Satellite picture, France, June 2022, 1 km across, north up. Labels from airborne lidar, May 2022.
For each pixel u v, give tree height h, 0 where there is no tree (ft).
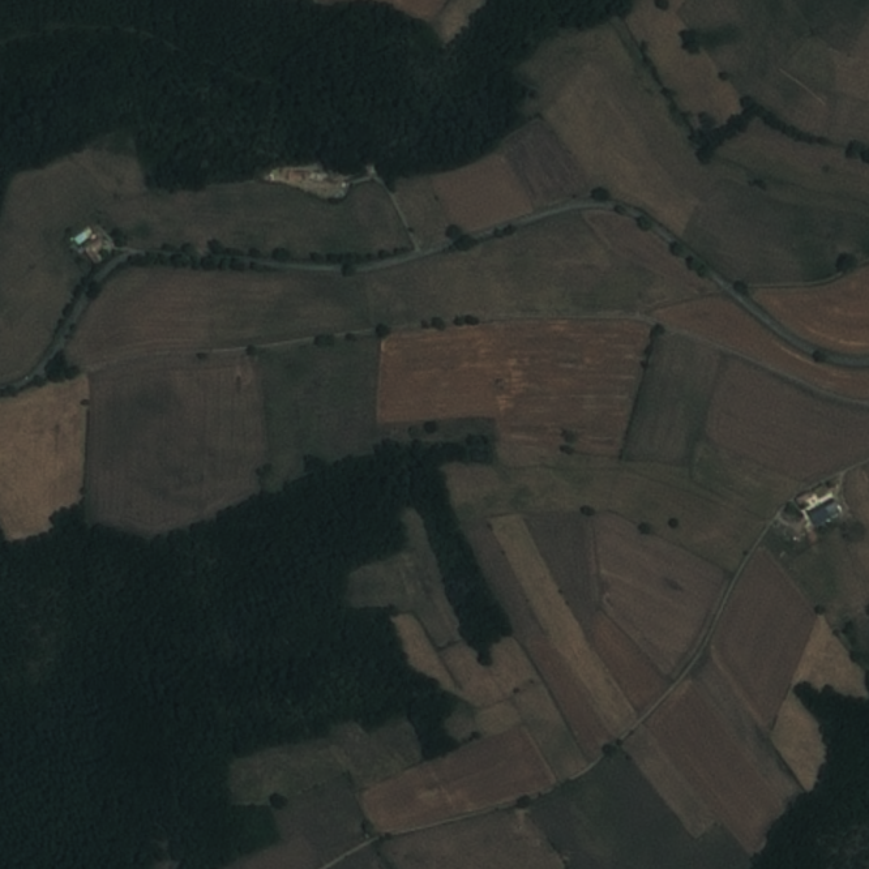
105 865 60
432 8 0
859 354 0
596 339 0
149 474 0
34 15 54
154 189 38
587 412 0
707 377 0
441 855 0
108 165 0
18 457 0
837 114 0
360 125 60
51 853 71
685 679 0
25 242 0
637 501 0
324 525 67
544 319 0
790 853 34
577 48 0
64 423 0
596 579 0
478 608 60
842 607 0
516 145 0
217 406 0
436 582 0
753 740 0
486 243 0
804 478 0
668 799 0
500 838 0
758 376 0
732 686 0
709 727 0
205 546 39
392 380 0
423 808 0
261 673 82
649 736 0
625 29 0
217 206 0
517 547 0
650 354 29
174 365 0
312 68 72
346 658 59
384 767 0
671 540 0
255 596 73
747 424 0
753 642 0
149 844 60
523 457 0
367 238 0
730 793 0
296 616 37
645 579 0
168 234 0
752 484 0
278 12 29
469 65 27
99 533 50
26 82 63
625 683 0
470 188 0
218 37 39
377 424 0
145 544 45
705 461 0
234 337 0
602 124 0
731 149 0
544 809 0
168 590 47
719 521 0
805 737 0
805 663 0
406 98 37
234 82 77
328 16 22
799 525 0
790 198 0
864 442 0
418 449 55
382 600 0
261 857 0
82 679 43
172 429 0
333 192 0
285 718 56
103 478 0
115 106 40
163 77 71
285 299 0
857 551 0
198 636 52
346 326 0
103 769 55
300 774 0
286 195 0
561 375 0
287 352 0
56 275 0
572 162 0
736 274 0
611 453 0
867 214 0
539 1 57
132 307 0
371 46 50
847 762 50
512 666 0
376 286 0
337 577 54
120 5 62
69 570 26
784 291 0
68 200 0
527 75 0
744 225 0
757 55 0
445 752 49
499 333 0
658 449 0
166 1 70
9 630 44
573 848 0
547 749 0
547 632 0
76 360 0
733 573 0
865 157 52
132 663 70
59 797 39
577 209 0
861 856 25
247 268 36
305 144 68
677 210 0
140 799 58
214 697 47
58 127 56
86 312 0
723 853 0
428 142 67
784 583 0
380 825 0
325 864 0
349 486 48
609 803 0
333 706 42
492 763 0
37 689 29
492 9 43
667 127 0
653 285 0
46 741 24
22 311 0
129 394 0
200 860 56
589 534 0
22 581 29
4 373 0
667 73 0
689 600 0
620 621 0
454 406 0
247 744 56
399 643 44
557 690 0
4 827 52
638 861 0
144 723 59
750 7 0
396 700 37
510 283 0
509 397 0
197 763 66
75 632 24
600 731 0
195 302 0
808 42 0
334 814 0
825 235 0
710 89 0
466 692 0
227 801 45
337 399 0
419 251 0
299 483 43
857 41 0
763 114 51
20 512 0
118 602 41
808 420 0
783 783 0
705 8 0
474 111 42
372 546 65
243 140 40
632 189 0
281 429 0
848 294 0
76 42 58
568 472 0
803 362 0
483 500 0
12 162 40
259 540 60
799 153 0
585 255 0
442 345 0
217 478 0
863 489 0
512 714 0
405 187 0
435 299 0
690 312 0
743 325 0
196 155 29
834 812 43
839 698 32
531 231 0
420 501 45
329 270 0
